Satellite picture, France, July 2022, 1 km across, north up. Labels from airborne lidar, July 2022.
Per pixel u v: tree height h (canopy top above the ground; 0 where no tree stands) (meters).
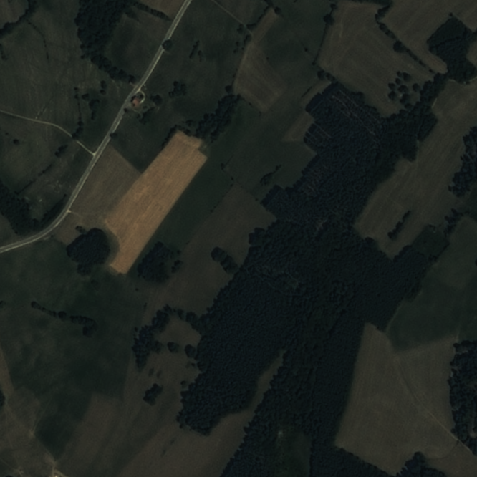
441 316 0
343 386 18
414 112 19
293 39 0
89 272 17
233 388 20
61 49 0
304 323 24
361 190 23
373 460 0
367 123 21
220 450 0
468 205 0
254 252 20
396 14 0
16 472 0
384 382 0
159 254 23
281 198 20
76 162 0
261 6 0
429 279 0
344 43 0
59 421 0
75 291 0
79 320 12
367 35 0
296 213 20
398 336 0
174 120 0
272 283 19
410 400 0
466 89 0
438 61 0
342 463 16
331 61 0
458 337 0
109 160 0
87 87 0
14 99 0
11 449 0
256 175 0
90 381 0
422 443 0
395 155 15
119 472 0
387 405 0
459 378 25
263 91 0
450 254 0
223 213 0
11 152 0
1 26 0
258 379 15
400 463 0
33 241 0
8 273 0
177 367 0
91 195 0
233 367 18
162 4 0
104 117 0
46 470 0
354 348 19
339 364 21
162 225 0
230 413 9
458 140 0
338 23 0
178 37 0
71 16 0
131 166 0
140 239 0
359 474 17
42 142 0
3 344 0
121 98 0
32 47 0
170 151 0
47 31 0
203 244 0
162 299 0
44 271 0
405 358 0
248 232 0
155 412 0
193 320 20
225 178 0
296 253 14
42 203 0
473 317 0
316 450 19
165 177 0
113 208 0
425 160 0
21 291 0
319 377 21
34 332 0
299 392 27
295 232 14
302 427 29
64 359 0
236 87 0
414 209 0
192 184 0
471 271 0
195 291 0
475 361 21
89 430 0
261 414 13
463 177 20
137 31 0
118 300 0
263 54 0
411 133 19
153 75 0
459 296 0
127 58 0
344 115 23
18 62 0
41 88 0
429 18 0
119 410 0
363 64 0
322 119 24
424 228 0
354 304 21
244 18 0
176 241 0
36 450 0
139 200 0
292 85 0
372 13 0
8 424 0
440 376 0
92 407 0
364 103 17
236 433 0
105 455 0
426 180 0
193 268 0
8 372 0
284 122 0
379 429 0
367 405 0
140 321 0
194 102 0
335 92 20
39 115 0
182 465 0
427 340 0
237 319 17
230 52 0
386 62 0
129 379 0
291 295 19
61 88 0
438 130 0
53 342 0
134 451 0
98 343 0
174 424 0
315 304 20
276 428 15
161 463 0
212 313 13
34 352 0
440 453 0
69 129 0
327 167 16
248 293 17
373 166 16
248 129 0
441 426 0
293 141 0
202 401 21
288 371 19
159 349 13
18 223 10
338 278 17
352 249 20
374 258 16
